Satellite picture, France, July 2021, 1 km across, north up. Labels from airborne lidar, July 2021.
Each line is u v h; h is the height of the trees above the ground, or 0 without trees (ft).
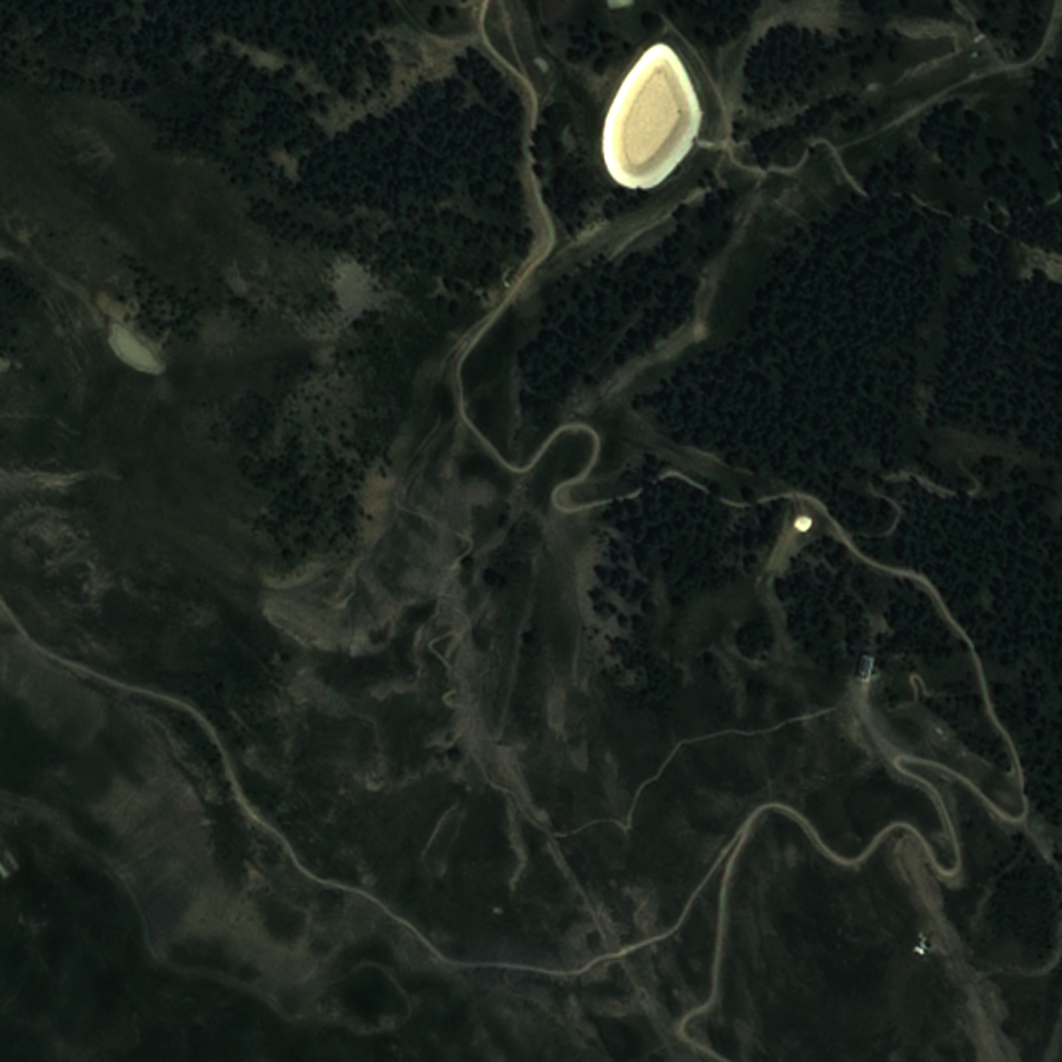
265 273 0
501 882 0
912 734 0
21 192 0
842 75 0
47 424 0
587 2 0
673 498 50
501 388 0
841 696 0
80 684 0
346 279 0
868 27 0
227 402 0
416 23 0
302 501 41
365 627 0
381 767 0
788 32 62
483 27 0
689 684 0
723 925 0
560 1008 0
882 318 52
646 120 0
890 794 0
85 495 0
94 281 0
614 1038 0
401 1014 0
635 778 0
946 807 0
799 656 0
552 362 59
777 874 0
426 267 22
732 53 0
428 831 0
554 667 0
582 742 0
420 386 0
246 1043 0
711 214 59
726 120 0
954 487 32
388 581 0
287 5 49
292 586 0
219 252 0
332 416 0
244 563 0
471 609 0
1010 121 0
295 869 0
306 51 57
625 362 37
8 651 0
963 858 0
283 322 0
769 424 57
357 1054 0
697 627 0
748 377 83
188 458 0
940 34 0
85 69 0
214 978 0
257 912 0
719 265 0
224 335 0
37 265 0
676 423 56
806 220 0
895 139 0
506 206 60
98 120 0
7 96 0
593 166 0
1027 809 0
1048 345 85
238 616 0
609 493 0
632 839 0
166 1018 0
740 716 0
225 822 0
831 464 66
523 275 0
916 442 0
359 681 0
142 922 0
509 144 64
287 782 0
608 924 0
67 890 0
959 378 57
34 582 0
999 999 0
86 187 0
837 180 0
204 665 0
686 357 0
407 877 0
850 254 28
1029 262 0
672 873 0
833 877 0
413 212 41
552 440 0
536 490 0
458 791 0
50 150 0
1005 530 70
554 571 0
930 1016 0
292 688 0
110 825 0
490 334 0
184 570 0
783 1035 0
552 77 0
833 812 0
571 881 0
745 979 0
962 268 0
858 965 0
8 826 0
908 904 0
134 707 0
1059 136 60
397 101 0
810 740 0
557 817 0
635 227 0
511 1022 0
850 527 52
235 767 0
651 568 24
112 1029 0
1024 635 67
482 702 0
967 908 0
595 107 0
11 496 0
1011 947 0
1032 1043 0
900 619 46
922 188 0
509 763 0
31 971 0
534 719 0
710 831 0
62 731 0
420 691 0
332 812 0
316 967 0
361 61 58
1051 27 0
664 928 0
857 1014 0
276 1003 0
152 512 0
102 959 0
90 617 0
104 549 0
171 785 0
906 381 50
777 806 0
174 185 0
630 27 0
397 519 0
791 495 0
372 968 0
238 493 0
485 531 0
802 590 41
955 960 0
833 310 60
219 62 28
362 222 33
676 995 0
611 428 0
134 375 0
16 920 0
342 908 0
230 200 0
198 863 0
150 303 24
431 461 0
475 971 0
